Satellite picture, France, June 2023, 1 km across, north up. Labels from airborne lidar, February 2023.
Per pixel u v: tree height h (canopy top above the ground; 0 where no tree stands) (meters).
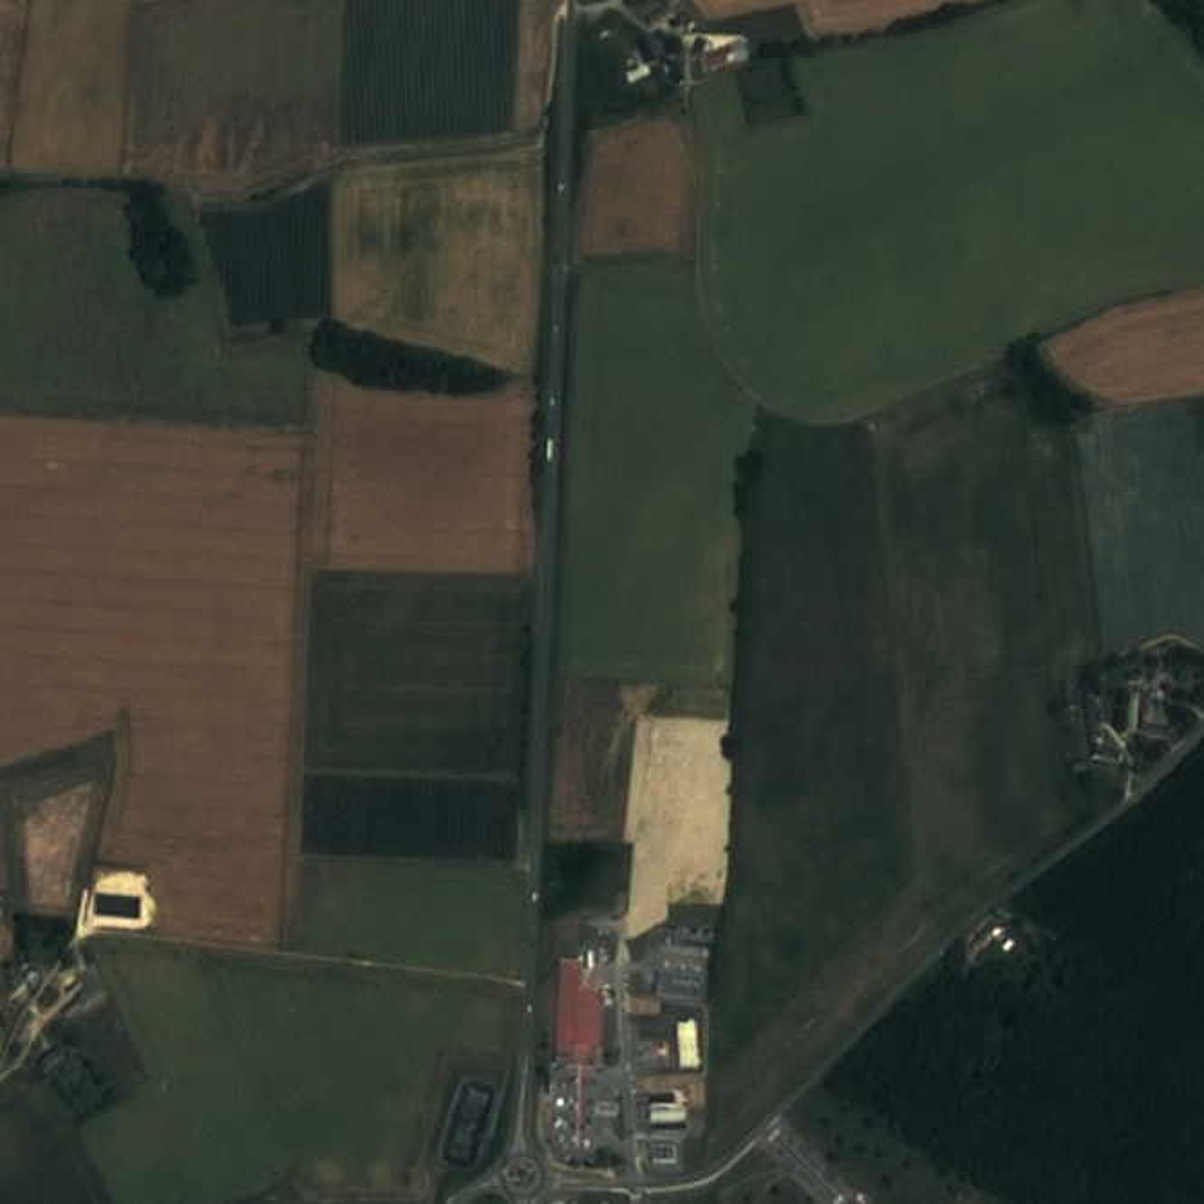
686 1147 0
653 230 0
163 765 0
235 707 0
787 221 0
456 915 0
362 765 0
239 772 0
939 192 0
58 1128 0
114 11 0
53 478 0
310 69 0
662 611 0
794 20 0
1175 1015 19
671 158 0
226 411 0
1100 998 24
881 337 0
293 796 0
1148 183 0
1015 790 0
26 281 0
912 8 0
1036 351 10
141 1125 0
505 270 0
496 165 0
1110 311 0
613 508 0
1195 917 21
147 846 0
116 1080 0
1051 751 0
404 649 0
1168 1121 21
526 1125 0
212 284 0
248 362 0
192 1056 0
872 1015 0
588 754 0
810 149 0
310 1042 0
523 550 0
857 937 0
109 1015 0
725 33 0
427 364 19
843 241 0
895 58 0
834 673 0
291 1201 0
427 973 0
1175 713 14
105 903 8
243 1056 0
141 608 0
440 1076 0
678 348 0
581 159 6
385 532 0
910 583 0
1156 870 18
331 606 0
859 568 0
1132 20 0
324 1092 0
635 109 0
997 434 0
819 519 0
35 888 0
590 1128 0
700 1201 0
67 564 0
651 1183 0
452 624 0
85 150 0
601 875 0
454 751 0
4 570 0
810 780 0
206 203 0
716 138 0
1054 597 0
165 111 0
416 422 0
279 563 0
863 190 0
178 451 0
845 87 0
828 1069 0
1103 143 0
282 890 0
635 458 0
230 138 0
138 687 0
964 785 0
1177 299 0
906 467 0
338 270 0
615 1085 0
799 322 0
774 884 0
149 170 0
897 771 0
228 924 0
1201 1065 20
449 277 0
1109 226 0
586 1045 0
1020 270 0
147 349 0
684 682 0
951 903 0
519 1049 0
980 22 0
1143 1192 18
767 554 0
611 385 0
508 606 0
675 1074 0
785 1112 0
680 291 0
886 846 0
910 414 0
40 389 0
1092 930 18
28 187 8
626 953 0
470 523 0
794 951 0
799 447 0
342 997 0
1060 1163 25
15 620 0
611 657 0
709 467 0
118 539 0
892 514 0
